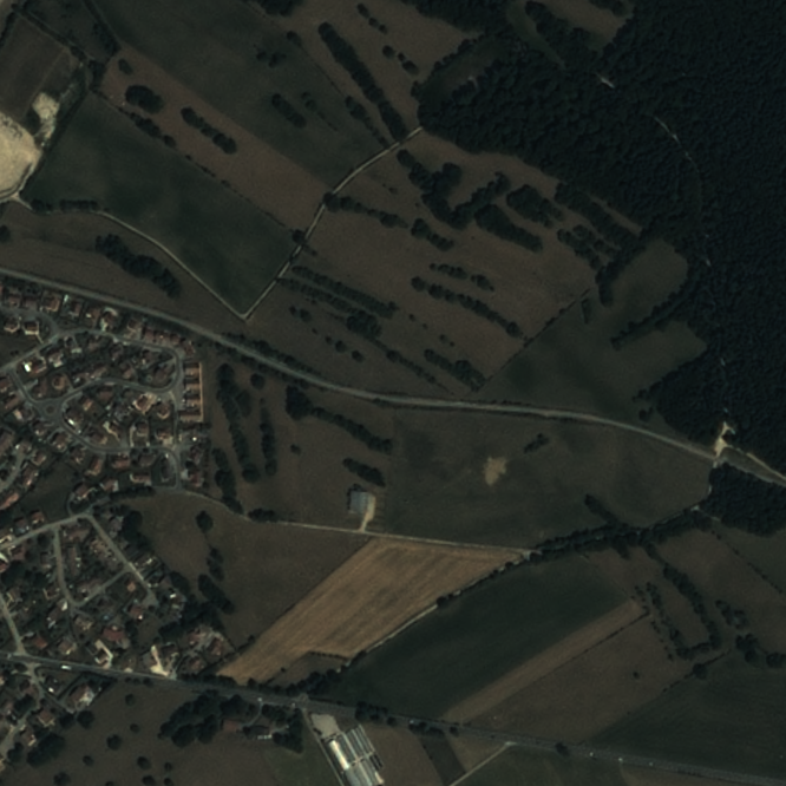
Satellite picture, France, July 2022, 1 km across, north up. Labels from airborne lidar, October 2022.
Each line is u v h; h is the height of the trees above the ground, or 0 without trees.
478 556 0
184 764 0
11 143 0
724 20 20
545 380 0
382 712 10
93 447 0
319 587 0
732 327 23
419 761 0
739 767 0
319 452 0
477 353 0
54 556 0
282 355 6
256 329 0
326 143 0
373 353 0
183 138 0
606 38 0
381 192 0
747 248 27
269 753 0
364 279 0
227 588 0
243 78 0
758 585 0
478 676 0
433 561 0
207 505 0
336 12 0
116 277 0
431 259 0
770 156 26
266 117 0
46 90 0
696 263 18
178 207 0
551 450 0
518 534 0
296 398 20
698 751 0
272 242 0
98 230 0
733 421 23
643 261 0
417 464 0
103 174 0
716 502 16
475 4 21
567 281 0
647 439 0
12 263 0
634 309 0
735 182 22
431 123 16
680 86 24
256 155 0
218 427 0
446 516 0
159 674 0
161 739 6
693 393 15
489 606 0
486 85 25
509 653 0
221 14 0
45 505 0
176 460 0
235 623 0
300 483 0
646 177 27
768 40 23
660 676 0
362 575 0
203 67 0
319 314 0
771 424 23
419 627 0
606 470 0
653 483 0
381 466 0
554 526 0
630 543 12
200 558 0
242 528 0
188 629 17
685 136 23
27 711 16
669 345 0
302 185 0
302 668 0
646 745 0
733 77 28
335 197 15
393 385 0
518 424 0
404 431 0
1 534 0
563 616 0
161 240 0
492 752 0
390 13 0
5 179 0
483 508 0
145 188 0
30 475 0
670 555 0
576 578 0
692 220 24
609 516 10
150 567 0
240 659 0
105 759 0
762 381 25
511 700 0
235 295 0
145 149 0
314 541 0
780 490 13
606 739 0
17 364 0
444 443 0
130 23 0
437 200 17
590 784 0
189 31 0
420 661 0
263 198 0
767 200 23
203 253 0
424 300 0
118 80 0
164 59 0
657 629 6
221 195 0
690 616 0
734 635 0
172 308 0
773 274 29
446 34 0
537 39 0
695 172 25
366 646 0
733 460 0
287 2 17
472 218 7
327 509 0
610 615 0
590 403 0
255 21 0
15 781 0
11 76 0
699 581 0
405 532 0
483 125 24
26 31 0
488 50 0
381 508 0
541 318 0
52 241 0
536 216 14
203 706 20
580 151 24
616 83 19
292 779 0
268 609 0
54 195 0
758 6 19
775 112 27
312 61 0
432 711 0
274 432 8
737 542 0
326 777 0
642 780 0
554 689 0
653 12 19
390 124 20
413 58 0
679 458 0
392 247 0
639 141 12
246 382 0
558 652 0
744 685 0
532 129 27
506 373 0
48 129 0
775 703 0
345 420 13
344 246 0
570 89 28
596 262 16
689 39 20
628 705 0
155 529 0
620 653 0
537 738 0
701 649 9
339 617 0
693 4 13
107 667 0
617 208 15
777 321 28
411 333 0
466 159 0
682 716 0
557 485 0
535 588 0
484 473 0
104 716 0
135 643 8
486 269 0
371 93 18
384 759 0
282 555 0
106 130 0
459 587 0
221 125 0
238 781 0
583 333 0
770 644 0
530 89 28
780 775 0
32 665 0
